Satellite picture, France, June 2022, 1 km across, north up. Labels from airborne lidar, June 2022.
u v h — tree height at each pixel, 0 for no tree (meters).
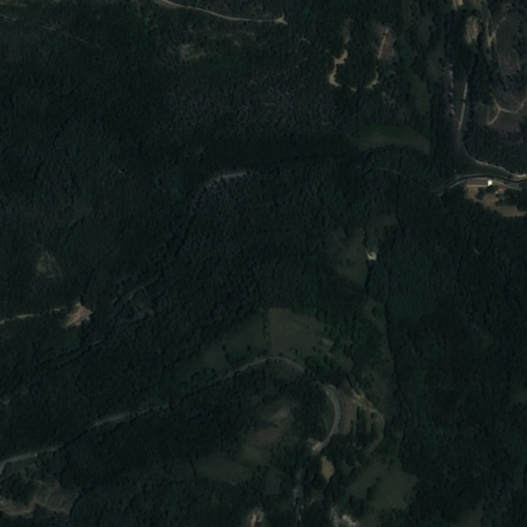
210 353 0
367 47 21
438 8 17
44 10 5
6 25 6
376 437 14
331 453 16
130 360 25
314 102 20
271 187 12
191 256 30
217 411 14
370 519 0
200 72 11
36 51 10
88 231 33
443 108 17
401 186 25
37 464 12
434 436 22
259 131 28
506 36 0
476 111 17
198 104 15
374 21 24
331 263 6
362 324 17
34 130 24
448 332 14
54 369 17
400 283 22
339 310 8
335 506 6
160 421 15
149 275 19
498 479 12
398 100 17
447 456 21
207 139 24
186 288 19
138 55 12
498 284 18
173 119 13
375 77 18
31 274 15
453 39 19
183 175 20
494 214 20
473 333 17
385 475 0
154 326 22
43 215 8
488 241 20
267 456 0
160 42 8
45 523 7
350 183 24
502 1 18
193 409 10
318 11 11
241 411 10
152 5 8
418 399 23
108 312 22
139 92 13
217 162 17
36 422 14
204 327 12
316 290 18
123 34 11
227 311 8
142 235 23
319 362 17
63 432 17
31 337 22
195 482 8
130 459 16
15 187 17
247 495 13
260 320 0
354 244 0
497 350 8
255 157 18
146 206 22
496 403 28
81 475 14
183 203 23
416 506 17
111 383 18
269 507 16
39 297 17
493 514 19
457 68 21
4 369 13
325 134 6
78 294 22
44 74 18
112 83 20
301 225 8
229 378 11
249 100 12
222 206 16
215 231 17
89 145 36
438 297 23
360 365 17
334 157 20
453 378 12
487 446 33
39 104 36
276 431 0
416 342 16
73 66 13
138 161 23
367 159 18
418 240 28
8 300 8
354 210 34
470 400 24
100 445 7
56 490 0
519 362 13
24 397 17
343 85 11
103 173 30
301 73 17
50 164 17
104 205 12
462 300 20
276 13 18
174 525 14
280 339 0
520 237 26
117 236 12
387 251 21
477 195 15
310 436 11
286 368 0
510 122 0
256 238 21
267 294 23
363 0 15
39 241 14
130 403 19
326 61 17
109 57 13
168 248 14
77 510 14
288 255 12
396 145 14
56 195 22
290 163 24
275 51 12
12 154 23
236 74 9
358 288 9
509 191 12
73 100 23
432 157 9
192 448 16
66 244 22
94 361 18
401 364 20
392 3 17
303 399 10
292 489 9
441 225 11
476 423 24
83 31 11
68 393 22
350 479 12
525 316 17
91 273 21
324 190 26
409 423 16
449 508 22
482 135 20
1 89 31
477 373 18
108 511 27
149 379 20
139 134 22
